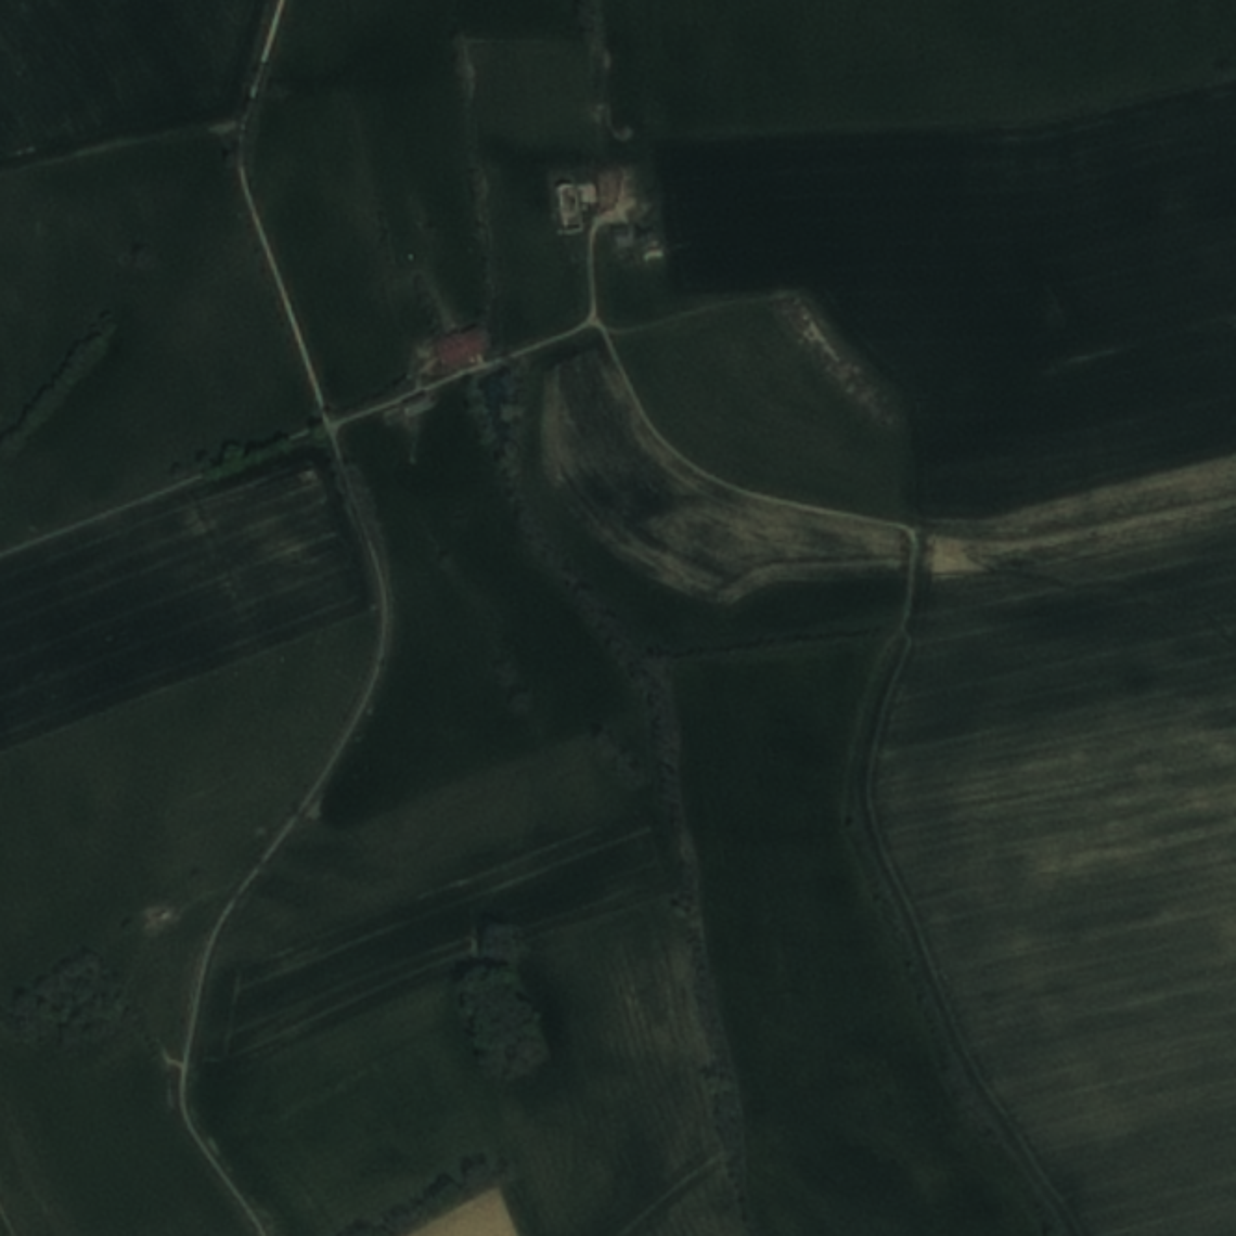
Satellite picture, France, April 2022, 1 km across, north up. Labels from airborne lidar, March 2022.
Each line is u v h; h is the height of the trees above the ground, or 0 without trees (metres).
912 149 0
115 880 0
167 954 0
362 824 0
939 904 0
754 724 0
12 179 0
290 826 0
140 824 0
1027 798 0
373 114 0
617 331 0
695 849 0
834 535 0
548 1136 0
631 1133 0
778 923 0
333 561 0
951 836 0
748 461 0
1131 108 0
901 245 0
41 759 0
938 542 0
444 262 0
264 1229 0
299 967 0
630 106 0
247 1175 0
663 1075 0
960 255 0
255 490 0
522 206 0
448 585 0
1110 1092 0
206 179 0
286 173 0
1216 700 0
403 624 0
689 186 0
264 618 0
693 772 0
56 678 0
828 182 0
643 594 0
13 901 0
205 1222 0
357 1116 0
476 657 0
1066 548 0
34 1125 0
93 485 0
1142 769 0
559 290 0
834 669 0
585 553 0
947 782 0
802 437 0
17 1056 0
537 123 0
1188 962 0
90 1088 0
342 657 0
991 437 0
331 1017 0
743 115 0
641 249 0
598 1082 0
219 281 0
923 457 0
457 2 0
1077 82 0
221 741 0
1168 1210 0
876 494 0
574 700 0
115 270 0
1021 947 0
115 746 0
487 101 0
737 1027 0
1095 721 0
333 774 0
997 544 0
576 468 0
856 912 0
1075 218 0
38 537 0
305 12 0
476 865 0
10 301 0
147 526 0
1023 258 0
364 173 0
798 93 0
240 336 0
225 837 0
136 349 0
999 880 0
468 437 0
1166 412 0
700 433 0
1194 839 0
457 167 0
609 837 0
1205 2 0
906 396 0
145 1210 0
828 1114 0
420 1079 0
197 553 0
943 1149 0
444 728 0
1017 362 0
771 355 0
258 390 0
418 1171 0
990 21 0
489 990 22
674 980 0
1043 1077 0
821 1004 0
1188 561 0
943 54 0
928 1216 0
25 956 0
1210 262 0
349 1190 0
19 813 0
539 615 0
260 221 0
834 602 0
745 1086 0
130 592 0
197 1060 0
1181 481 0
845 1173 0
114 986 17
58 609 0
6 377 0
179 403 0
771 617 0
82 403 0
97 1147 0
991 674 0
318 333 0
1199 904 0
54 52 0
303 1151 0
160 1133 0
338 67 0
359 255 0
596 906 0
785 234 0
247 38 0
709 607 0
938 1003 0
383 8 0
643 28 0
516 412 20
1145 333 0
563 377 0
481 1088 0
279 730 0
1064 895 0
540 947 0
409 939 0
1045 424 0
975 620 0
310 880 0
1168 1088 0
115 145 0
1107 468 0
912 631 0
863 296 0
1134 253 0
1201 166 0
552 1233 0
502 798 0
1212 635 0
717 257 0
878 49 0
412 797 0
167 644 0
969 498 0
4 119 0
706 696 0
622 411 0
